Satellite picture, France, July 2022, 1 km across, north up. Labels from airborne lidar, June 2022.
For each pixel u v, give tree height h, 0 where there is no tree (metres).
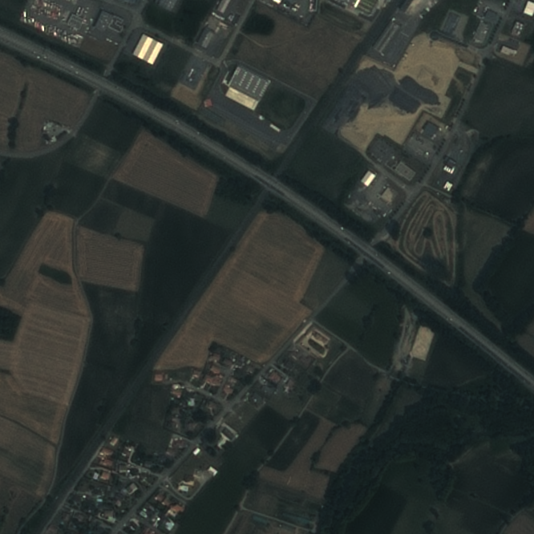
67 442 0
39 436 0
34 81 0
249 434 0
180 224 0
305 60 0
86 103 0
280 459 0
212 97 0
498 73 0
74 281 0
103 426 0
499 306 21
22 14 0
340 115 0
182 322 0
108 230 0
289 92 0
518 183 0
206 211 0
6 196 0
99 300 0
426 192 0
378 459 12
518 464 0
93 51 0
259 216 0
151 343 0
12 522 0
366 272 21
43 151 0
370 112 0
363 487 12
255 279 0
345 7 0
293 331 0
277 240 0
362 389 0
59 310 0
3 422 0
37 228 0
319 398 0
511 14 0
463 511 0
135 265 0
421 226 0
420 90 0
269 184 0
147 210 0
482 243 0
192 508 0
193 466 0
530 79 0
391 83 0
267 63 0
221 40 0
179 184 0
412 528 0
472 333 0
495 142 11
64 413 0
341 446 0
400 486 0
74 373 0
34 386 0
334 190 0
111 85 0
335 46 0
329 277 0
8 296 0
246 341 0
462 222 0
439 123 0
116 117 0
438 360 0
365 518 0
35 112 0
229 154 0
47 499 8
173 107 25
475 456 0
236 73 0
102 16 0
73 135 0
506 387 24
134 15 0
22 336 0
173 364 0
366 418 0
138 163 0
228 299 0
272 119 0
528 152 0
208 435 22
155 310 0
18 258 0
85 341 0
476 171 0
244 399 0
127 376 0
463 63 0
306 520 0
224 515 0
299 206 0
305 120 0
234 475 0
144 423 0
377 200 0
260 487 0
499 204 0
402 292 13
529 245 0
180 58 0
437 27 0
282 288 0
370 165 0
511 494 0
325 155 0
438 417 16
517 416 14
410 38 0
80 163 0
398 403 0
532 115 0
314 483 0
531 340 0
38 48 0
